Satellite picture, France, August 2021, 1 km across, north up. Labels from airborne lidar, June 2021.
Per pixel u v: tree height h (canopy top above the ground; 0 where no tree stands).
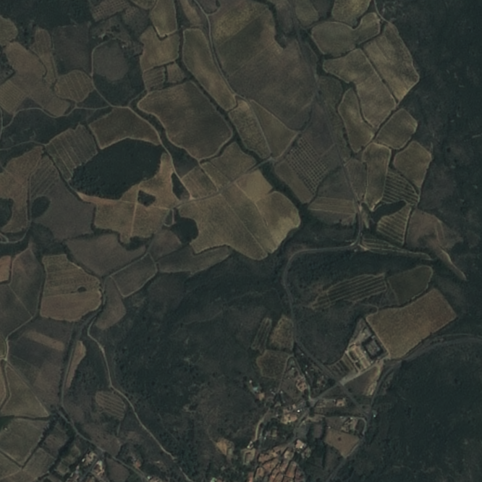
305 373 10
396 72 0
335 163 0
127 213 0
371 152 0
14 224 0
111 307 0
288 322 0
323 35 0
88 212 0
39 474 0
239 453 16
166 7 0
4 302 0
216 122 0
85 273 0
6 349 0
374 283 0
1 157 0
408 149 0
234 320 0
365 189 0
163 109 0
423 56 0
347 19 0
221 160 0
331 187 0
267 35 0
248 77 0
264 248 0
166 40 0
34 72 0
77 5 5
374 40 0
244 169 0
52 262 0
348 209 0
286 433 8
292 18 0
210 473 10
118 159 0
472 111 0
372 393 0
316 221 6
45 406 0
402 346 0
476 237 0
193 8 0
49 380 0
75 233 0
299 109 0
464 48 0
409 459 0
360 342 0
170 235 0
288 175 0
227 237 0
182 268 0
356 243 0
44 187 0
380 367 0
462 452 0
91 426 0
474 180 0
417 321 0
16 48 0
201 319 0
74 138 0
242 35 0
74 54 0
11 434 0
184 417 0
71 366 0
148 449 0
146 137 0
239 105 0
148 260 0
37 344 0
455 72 0
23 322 0
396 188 0
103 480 0
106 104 6
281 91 0
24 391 0
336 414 7
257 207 0
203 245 0
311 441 10
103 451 0
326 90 0
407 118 0
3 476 0
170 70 0
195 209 0
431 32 0
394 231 0
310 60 0
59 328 0
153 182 0
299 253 0
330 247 0
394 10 0
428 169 6
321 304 0
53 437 0
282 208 0
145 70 0
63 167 0
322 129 0
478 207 0
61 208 0
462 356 0
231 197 0
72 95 0
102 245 0
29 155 0
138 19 0
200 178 0
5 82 0
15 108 0
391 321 0
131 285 0
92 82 0
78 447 0
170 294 0
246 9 0
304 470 7
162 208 0
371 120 0
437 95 0
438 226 0
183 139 0
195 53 0
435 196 0
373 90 0
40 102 0
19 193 0
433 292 0
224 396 0
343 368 6
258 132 0
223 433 8
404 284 0
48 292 0
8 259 0
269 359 0
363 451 6
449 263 0
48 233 0
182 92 0
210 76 0
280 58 0
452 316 0
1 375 0
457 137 0
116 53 0
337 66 0
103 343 0
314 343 0
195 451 8
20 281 0
